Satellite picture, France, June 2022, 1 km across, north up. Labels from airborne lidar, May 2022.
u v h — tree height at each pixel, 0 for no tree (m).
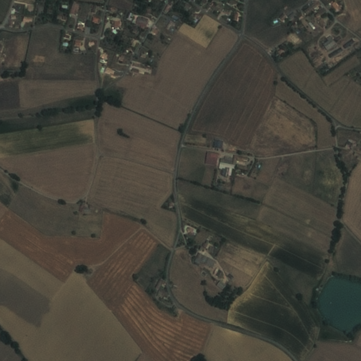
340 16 0
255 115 0
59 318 0
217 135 0
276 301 0
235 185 0
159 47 0
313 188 0
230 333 0
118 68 0
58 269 0
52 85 0
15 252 0
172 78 0
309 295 0
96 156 0
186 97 0
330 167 0
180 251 0
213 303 16
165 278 8
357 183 0
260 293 0
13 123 0
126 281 0
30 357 0
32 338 0
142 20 0
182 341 0
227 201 0
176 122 0
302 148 0
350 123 0
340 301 0
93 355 0
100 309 0
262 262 0
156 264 0
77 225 0
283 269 0
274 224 0
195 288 0
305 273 0
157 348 0
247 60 0
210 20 0
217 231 0
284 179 0
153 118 0
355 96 0
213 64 0
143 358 0
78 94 0
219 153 0
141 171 0
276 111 0
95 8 0
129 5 0
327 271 0
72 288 0
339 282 0
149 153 0
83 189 0
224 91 0
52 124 0
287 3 0
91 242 0
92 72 0
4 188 0
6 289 0
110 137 0
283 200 0
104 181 0
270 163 0
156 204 0
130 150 0
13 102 0
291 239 0
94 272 0
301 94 13
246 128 0
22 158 0
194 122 0
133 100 0
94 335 0
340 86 0
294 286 0
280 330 0
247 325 0
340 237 15
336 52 0
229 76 0
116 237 0
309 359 0
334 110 0
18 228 0
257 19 0
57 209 0
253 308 0
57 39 0
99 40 0
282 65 0
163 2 8
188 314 0
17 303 0
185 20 8
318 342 0
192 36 0
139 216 0
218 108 0
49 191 0
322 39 0
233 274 0
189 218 0
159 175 0
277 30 0
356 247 0
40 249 0
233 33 0
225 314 0
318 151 0
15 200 0
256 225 0
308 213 0
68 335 0
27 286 0
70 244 0
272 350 0
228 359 0
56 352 0
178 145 0
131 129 0
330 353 0
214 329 0
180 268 0
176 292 0
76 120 0
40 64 0
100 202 0
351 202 0
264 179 0
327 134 0
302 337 0
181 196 0
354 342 0
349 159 0
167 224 0
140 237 0
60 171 0
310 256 0
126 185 0
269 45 0
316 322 0
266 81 0
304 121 0
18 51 0
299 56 0
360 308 0
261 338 0
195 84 0
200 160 0
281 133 0
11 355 0
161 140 0
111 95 0
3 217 0
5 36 0
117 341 0
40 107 0
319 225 0
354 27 0
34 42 0
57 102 0
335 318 0
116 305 0
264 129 0
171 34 0
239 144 0
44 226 0
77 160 0
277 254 0
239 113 0
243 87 0
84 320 0
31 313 0
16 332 0
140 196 0
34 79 0
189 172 0
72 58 0
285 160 0
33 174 0
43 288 0
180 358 0
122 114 0
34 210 0
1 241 0
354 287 0
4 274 0
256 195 0
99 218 0
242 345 0
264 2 0
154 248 0
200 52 0
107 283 0
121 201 0
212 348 0
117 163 0
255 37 0
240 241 0
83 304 0
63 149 0
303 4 0
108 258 0
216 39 0
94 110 0
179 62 0
